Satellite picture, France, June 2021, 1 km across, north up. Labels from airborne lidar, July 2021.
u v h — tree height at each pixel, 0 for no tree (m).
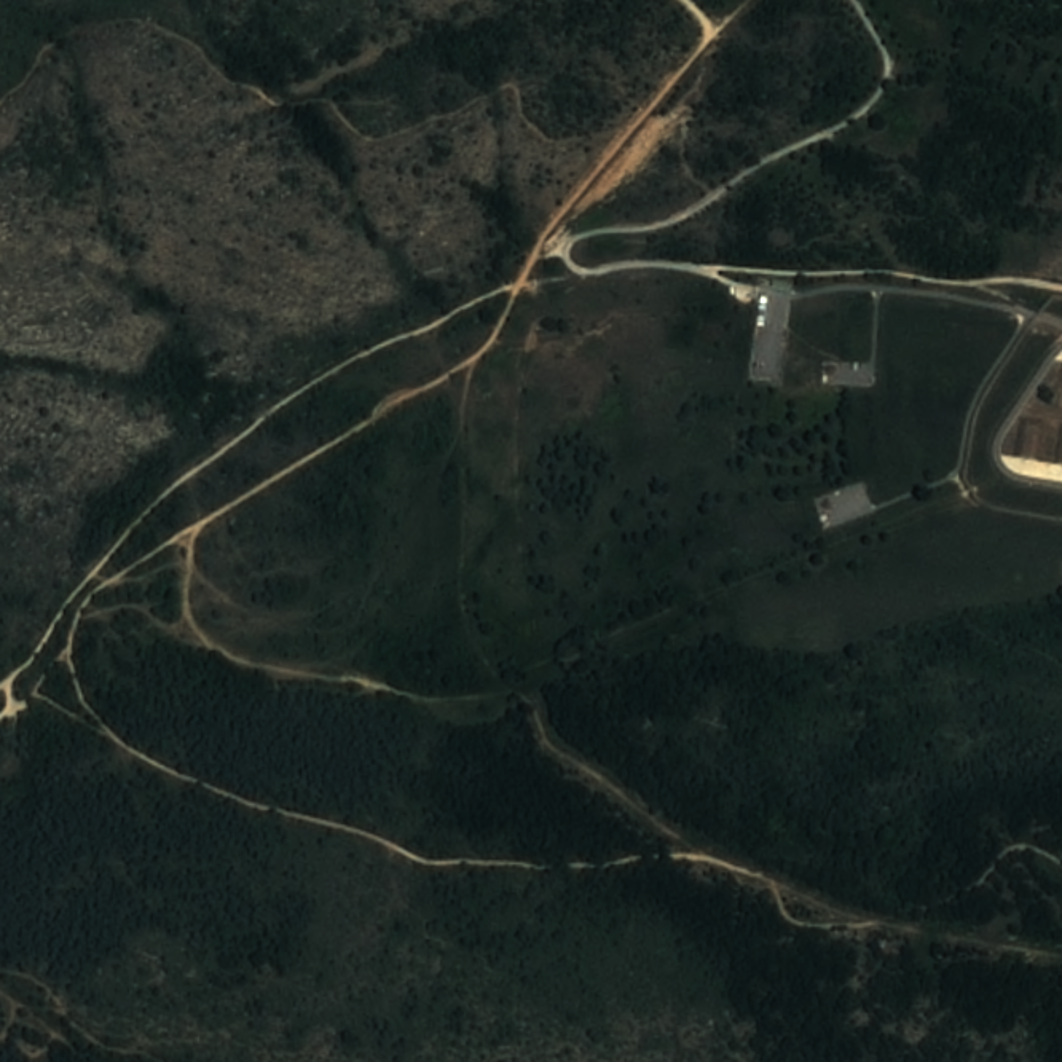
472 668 6
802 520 0
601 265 0
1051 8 7
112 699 12
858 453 0
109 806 11
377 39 6
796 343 0
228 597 0
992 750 7
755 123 7
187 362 6
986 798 12
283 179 7
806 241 8
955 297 0
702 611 8
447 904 7
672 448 0
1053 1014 11
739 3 0
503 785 10
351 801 5
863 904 6
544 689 9
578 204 0
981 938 0
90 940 5
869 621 0
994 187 9
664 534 8
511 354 0
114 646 9
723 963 10
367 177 0
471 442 0
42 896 6
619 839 8
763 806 7
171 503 7
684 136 0
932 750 15
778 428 17
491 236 7
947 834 11
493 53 9
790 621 0
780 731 8
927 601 0
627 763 9
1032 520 0
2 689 0
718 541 0
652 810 9
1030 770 9
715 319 0
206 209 0
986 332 0
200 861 9
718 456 0
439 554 0
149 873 9
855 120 7
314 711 8
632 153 0
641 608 14
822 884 9
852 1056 6
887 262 6
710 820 7
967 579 0
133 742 6
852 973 6
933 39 0
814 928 7
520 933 11
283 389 7
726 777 8
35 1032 7
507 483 0
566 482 16
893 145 0
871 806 8
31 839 8
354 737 11
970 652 8
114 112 0
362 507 9
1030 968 11
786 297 0
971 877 10
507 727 7
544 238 0
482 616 14
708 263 7
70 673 7
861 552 0
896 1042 7
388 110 0
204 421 9
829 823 10
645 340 0
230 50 10
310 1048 0
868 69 7
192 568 0
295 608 0
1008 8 8
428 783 8
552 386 0
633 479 0
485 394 0
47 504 6
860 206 8
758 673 9
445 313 9
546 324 8
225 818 12
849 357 0
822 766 7
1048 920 13
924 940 0
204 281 0
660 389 0
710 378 0
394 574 0
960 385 0
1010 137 7
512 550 0
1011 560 0
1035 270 0
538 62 6
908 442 0
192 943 7
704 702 10
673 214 0
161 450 6
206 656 7
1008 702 6
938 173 5
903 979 5
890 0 0
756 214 7
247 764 10
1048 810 10
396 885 0
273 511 0
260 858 10
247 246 0
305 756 11
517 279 0
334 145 10
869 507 0
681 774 8
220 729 10
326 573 6
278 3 10
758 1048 10
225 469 8
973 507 0
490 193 8
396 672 7
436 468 0
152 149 0
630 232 0
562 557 0
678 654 11
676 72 0
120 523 6
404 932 9
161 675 10
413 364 0
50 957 9
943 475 0
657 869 10
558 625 0
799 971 7
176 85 0
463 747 9
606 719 8
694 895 8
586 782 5
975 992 10
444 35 6
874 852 8
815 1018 11
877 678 8
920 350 0
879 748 9
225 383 6
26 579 0
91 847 6
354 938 0
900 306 0
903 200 6
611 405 0
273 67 7
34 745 7
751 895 7
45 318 0
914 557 0
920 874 9
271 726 9
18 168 6
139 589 6
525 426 0
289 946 10
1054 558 0
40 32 9
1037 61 11
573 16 8
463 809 10
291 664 0
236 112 0
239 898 7
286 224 0
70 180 7
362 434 6
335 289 0
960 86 9
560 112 6
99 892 12
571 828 9
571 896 5
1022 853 6
